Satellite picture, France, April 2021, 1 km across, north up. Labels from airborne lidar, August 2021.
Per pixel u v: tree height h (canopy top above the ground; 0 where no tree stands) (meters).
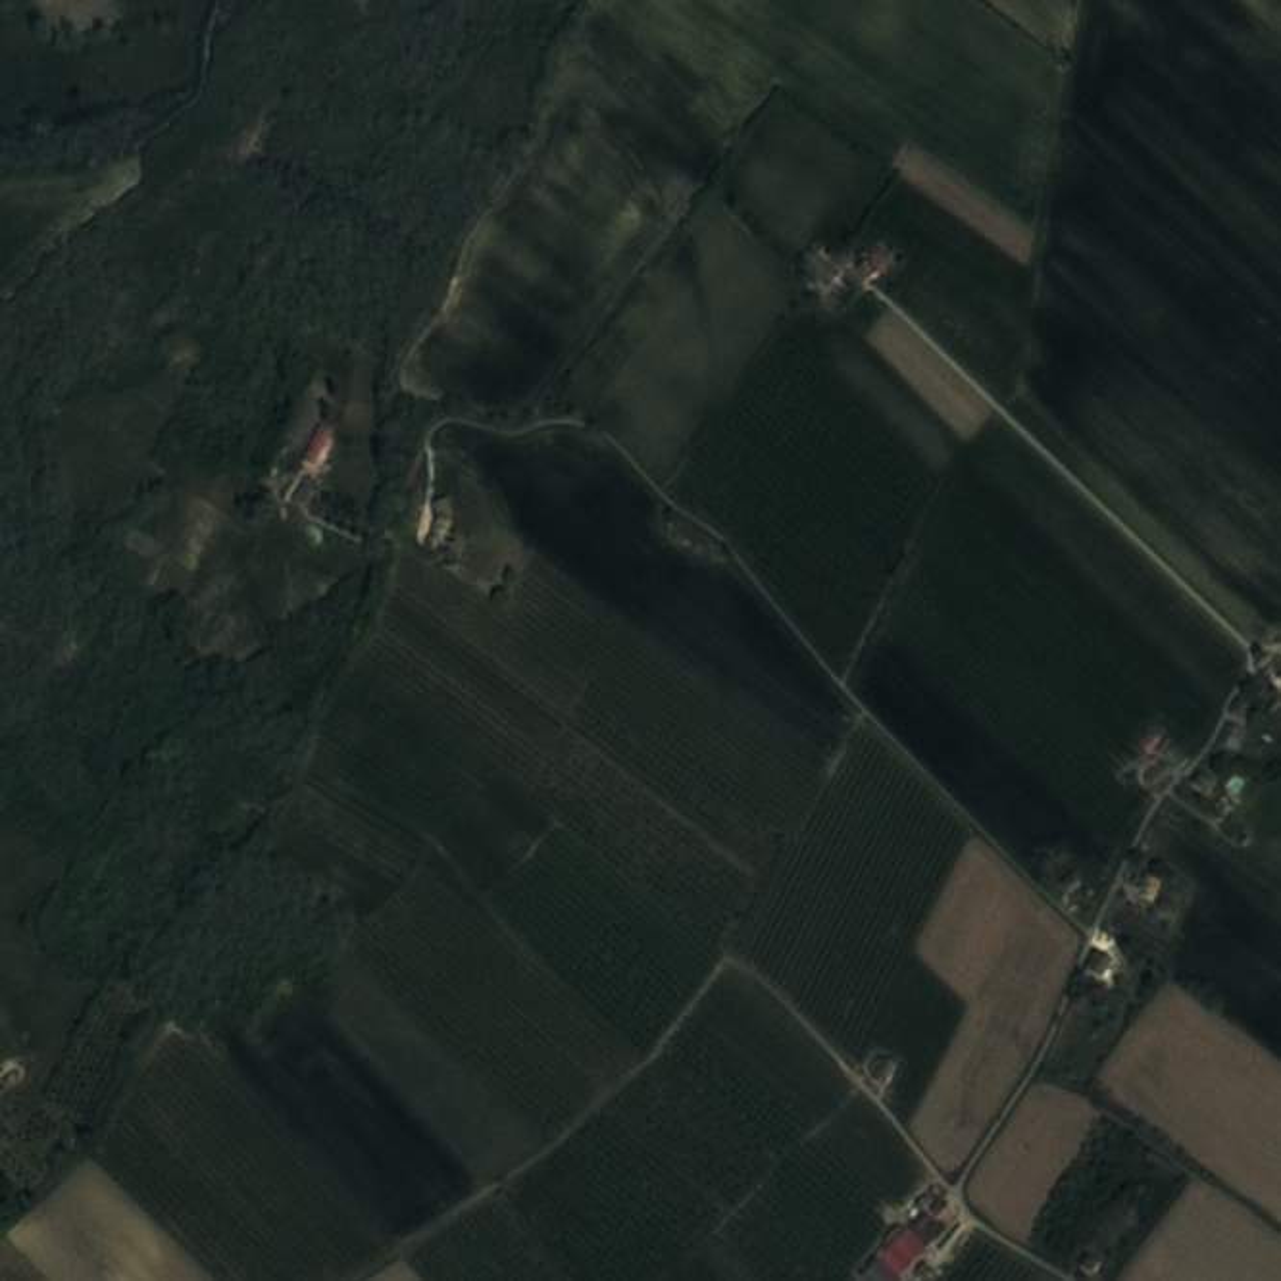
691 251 0
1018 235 0
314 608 10
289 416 19
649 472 0
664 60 0
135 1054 20
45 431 15
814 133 0
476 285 0
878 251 0
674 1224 6
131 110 14
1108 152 0
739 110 0
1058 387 0
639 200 0
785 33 0
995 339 0
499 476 0
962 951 0
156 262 6
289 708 8
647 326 0
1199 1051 0
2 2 18
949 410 0
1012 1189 0
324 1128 0
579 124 0
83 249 14
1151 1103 0
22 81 0
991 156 0
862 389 0
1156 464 0
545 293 0
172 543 0
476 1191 0
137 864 6
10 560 15
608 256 0
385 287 17
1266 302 0
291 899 19
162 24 10
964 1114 0
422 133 6
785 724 0
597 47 0
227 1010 14
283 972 8
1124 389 0
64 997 0
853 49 0
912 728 0
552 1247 6
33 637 13
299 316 22
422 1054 0
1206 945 0
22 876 0
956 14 0
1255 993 0
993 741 0
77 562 10
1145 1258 0
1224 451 0
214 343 6
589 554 0
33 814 7
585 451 0
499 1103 0
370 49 9
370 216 22
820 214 0
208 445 6
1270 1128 0
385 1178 0
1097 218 0
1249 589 0
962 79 0
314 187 19
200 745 7
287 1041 0
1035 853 0
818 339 0
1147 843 0
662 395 0
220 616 0
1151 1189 5
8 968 0
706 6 0
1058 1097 0
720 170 7
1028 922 0
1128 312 0
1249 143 0
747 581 0
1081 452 0
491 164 16
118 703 5
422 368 0
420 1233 0
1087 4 0
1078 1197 7
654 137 0
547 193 0
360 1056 0
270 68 13
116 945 12
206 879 21
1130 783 6
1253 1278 0
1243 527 0
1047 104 0
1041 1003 0
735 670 0
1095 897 0
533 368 0
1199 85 0
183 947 16
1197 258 0
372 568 6
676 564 0
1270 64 0
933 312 0
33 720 6
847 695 0
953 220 0
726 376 0
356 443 0
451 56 24
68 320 14
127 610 17
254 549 0
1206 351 0
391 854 0
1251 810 0
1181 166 0
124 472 0
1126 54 0
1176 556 0
